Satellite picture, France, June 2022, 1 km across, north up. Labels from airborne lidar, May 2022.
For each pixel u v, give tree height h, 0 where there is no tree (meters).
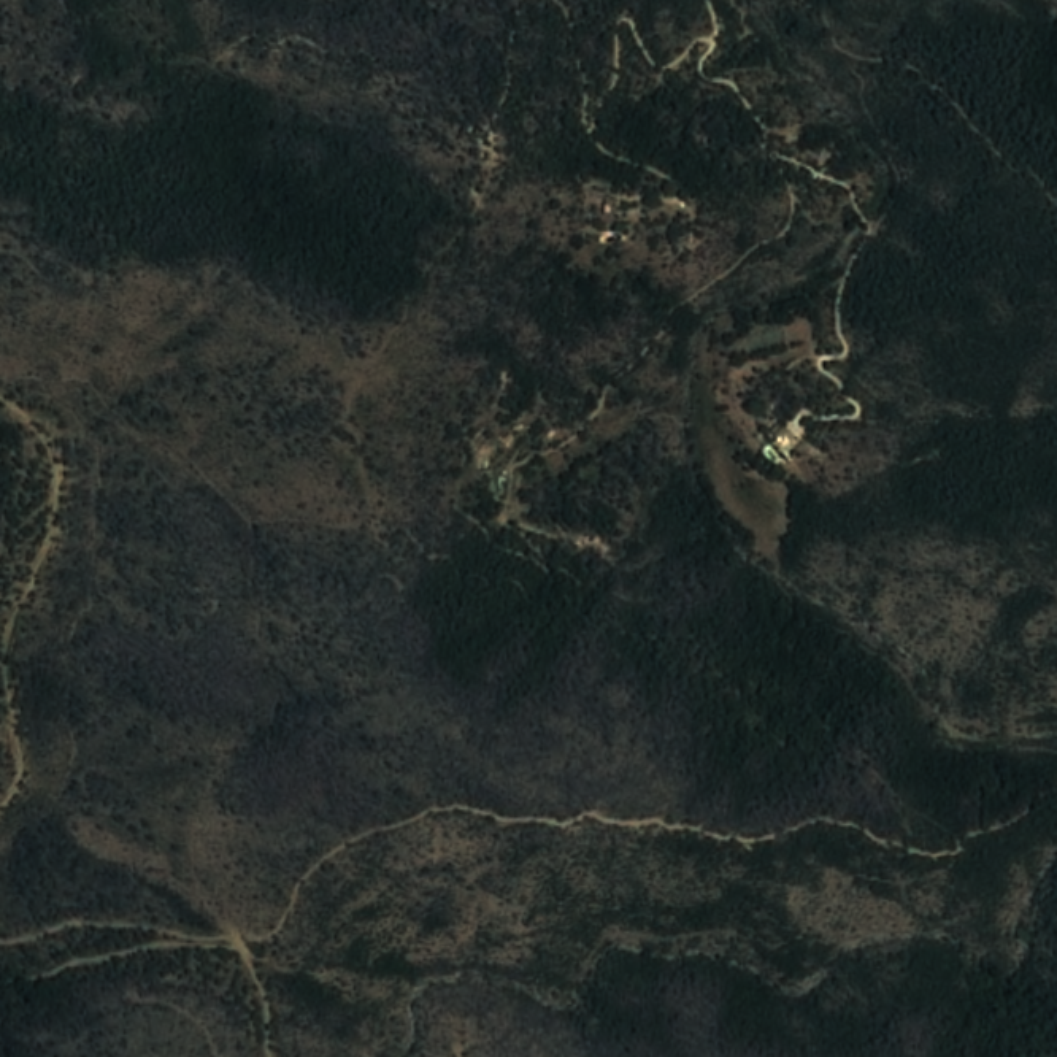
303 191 8
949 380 9
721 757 9
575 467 11
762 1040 7
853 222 13
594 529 11
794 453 6
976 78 16
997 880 6
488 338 8
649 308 8
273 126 9
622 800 0
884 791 6
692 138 14
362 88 10
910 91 8
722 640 16
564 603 11
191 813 0
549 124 14
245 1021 7
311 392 7
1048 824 7
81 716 12
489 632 6
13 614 0
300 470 0
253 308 0
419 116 11
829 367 10
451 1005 0
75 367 0
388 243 6
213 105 8
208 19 0
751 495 0
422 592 10
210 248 7
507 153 8
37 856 14
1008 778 14
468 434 9
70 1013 8
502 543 12
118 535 10
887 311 9
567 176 6
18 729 8
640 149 13
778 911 6
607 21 11
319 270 12
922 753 6
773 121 11
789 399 10
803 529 11
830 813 12
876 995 5
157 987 9
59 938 8
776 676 17
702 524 8
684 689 16
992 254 9
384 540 8
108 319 0
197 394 6
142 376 0
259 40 8
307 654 6
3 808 7
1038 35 10
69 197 13
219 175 8
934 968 5
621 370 5
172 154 11
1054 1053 6
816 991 6
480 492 8
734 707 14
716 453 0
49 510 10
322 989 6
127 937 11
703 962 7
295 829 0
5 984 13
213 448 0
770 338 0
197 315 0
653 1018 6
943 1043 7
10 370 0
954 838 12
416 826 0
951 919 7
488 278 7
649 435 8
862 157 6
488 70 12
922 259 7
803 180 9
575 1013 6
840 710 9
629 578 7
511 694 16
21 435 9
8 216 8
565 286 7
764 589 12
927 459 9
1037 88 10
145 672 14
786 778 12
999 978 21
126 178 9
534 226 14
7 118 8
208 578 0
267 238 10
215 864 0
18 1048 10
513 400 10
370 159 6
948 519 9
